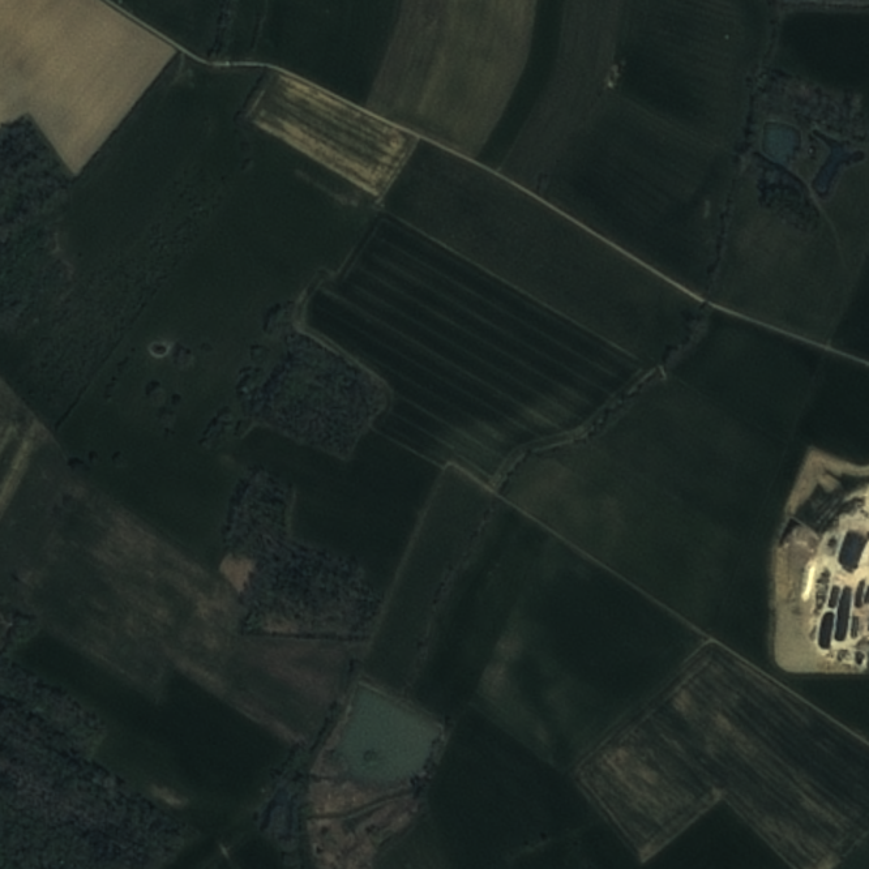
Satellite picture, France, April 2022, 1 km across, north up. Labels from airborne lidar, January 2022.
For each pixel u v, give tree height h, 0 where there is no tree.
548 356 0
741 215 0
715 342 0
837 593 0
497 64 0
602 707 0
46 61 0
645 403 0
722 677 0
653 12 0
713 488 0
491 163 0
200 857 0
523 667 0
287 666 0
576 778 0
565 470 0
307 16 0
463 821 0
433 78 0
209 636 0
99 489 0
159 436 0
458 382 0
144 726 0
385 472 0
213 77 0
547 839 10
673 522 0
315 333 0
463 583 0
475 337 0
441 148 0
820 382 0
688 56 0
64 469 0
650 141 0
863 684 0
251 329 0
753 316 0
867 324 0
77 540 0
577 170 0
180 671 0
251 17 0
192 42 0
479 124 0
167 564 0
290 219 0
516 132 0
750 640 0
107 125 0
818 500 0
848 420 0
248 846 0
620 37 0
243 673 0
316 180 0
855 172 0
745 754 0
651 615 0
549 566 0
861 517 0
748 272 0
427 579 0
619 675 0
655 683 0
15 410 0
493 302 0
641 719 0
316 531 0
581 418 0
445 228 0
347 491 0
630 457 0
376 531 0
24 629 19
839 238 0
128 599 0
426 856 0
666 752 0
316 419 26
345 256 0
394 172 0
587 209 0
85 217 0
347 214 0
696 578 0
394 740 0
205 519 0
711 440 0
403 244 0
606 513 0
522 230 0
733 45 0
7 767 10
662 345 0
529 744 0
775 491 0
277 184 0
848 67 0
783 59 0
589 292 0
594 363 0
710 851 0
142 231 0
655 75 0
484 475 0
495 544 0
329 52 0
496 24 0
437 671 0
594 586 0
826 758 0
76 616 0
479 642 0
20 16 0
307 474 0
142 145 0
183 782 0
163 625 0
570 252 0
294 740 0
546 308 0
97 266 0
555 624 0
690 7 0
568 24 0
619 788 0
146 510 0
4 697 15
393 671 0
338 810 0
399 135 0
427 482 0
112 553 0
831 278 0
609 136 0
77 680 0
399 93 0
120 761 0
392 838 0
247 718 0
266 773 0
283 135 0
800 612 0
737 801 0
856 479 0
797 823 0
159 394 19
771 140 0
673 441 0
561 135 0
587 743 0
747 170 22
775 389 0
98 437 0
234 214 0
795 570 0
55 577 0
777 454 0
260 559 20
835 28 0
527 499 0
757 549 0
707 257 0
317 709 0
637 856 0
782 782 0
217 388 0
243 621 0
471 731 0
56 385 0
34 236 7
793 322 0
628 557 0
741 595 0
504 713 0
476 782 0
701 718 0
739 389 0
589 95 0
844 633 0
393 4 0
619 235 0
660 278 0
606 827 0
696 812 0
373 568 0
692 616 0
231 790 0
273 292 0
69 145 0
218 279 0
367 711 0
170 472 0
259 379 6
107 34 0
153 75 0
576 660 0
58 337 0
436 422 0
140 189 0
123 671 0
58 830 22
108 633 0
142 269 0
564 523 0
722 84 0
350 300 0
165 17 0
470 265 0
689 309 0
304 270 0
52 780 25
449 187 0
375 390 19
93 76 0
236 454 0
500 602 0
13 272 7
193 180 0
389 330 0
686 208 0
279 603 11
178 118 0
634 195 0
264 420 23
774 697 0
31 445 0
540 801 0
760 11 0
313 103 0
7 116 0
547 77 0
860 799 0
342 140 0
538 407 0
